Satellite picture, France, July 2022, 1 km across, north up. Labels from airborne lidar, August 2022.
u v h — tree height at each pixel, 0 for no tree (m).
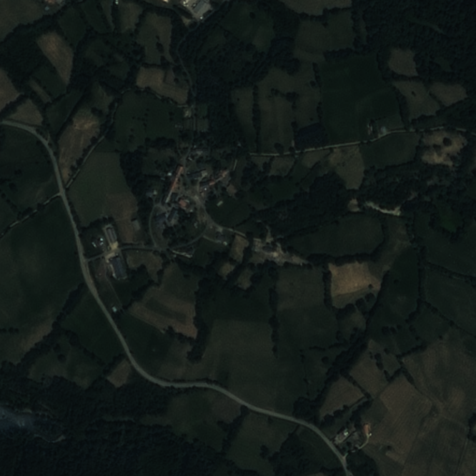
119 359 10
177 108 0
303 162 0
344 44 0
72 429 15
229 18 0
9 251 0
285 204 16
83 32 0
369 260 13
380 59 18
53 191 0
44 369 0
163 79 0
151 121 0
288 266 16
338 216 9
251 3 12
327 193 15
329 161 0
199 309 13
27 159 0
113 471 11
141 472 22
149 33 0
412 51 14
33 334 0
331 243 0
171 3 0
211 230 0
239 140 8
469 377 0
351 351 9
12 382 9
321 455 0
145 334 0
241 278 0
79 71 13
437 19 14
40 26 14
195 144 7
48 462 26
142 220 7
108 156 0
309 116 0
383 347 0
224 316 0
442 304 0
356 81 0
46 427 12
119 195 0
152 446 20
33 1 0
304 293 0
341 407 0
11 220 0
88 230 7
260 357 0
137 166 19
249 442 0
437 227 18
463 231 16
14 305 0
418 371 0
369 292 0
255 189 6
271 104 0
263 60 11
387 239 7
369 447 0
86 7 0
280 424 0
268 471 0
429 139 0
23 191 0
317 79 14
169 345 0
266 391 0
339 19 0
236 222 0
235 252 0
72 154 0
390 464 0
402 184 9
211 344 0
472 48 16
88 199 0
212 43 0
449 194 21
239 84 12
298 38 0
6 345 0
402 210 9
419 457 0
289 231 16
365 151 0
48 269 0
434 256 0
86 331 0
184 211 9
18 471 24
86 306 0
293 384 0
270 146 0
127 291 0
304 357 13
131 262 0
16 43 14
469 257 0
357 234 0
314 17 9
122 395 10
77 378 0
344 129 0
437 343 0
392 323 0
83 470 17
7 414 0
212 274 19
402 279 0
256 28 0
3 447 30
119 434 15
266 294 0
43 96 0
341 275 0
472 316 0
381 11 16
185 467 25
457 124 7
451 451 0
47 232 0
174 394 13
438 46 20
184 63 13
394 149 0
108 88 24
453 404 0
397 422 0
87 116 0
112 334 0
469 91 12
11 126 0
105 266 0
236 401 0
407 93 0
